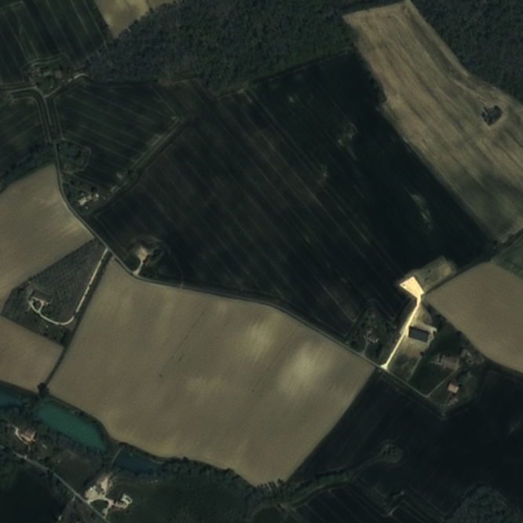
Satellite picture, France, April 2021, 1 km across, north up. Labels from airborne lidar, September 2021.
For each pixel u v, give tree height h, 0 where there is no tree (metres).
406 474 0
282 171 0
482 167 0
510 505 0
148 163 0
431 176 0
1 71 0
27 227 0
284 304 0
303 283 0
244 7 18
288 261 0
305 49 19
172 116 0
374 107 0
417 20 0
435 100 0
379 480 0
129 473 17
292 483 0
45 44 0
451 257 0
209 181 0
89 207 9
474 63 17
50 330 0
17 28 0
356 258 0
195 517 9
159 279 0
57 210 0
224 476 13
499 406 0
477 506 14
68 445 17
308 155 0
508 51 20
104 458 16
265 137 0
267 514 0
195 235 0
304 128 0
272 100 0
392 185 0
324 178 0
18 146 0
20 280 0
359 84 0
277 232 0
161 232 0
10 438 14
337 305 0
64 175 7
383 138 0
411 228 0
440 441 0
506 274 0
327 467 0
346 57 0
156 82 9
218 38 14
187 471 17
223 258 0
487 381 0
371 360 0
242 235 0
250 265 0
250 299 0
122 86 0
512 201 0
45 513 0
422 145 0
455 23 23
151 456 8
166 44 19
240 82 18
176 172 0
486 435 0
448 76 0
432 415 0
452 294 0
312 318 0
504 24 17
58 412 0
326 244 0
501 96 0
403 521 0
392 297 0
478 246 0
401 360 0
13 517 0
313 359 0
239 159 0
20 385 0
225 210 0
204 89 0
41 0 0
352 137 0
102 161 0
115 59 16
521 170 0
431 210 0
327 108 0
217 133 0
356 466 0
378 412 0
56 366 0
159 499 0
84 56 0
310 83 0
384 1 16
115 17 0
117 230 0
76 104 0
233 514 10
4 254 0
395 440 0
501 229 0
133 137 0
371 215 0
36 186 0
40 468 0
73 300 10
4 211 0
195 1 13
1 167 0
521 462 0
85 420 18
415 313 0
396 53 0
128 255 0
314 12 27
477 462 0
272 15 21
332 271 0
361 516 0
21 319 8
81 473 0
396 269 0
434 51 0
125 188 0
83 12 0
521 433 0
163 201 0
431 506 0
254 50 17
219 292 0
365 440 0
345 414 0
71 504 18
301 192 0
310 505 0
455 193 0
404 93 0
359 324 0
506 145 0
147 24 15
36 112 0
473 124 0
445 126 0
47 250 0
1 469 24
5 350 0
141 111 0
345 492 0
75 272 9
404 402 0
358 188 0
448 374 0
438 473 0
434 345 10
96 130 0
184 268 0
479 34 11
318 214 0
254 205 0
